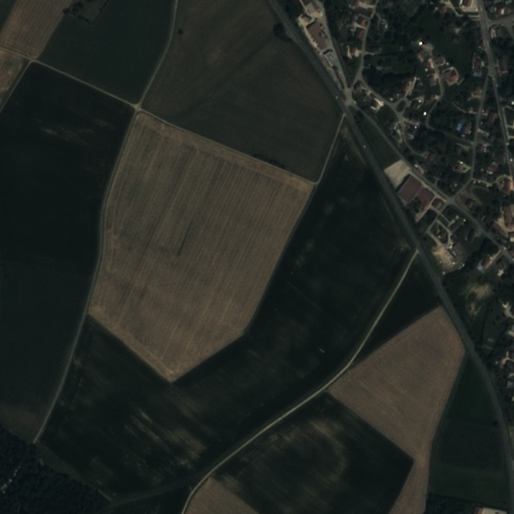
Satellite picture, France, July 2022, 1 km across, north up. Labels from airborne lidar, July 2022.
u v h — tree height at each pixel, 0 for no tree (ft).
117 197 0
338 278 0
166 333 0
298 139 0
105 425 0
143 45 0
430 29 0
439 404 0
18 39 0
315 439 0
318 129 0
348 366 0
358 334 0
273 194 0
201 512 0
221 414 0
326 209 0
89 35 0
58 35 0
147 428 0
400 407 0
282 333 0
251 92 0
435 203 0
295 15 20
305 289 0
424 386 0
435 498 24
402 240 0
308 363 0
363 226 0
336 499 0
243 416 0
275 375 0
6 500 72
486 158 24
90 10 0
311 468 0
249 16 0
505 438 0
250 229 0
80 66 0
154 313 0
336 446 0
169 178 0
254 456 0
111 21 0
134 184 0
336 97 0
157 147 0
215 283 0
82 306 0
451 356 0
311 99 0
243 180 0
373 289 0
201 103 0
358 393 0
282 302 0
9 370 0
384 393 0
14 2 0
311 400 0
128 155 0
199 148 0
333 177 0
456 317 0
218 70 0
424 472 0
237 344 0
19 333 0
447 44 0
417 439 0
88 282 0
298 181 0
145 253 0
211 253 0
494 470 0
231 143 0
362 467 0
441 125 26
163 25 0
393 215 0
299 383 0
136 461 0
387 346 0
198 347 0
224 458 0
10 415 0
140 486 0
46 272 0
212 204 0
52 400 0
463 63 0
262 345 0
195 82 0
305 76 0
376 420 0
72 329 0
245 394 0
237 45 0
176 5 0
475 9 0
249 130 0
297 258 0
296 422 0
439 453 0
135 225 0
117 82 0
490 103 27
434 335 0
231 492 0
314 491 0
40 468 75
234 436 0
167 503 0
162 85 0
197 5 0
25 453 54
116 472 0
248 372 0
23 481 52
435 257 0
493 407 0
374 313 0
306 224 0
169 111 0
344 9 21
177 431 0
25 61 0
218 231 0
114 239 0
